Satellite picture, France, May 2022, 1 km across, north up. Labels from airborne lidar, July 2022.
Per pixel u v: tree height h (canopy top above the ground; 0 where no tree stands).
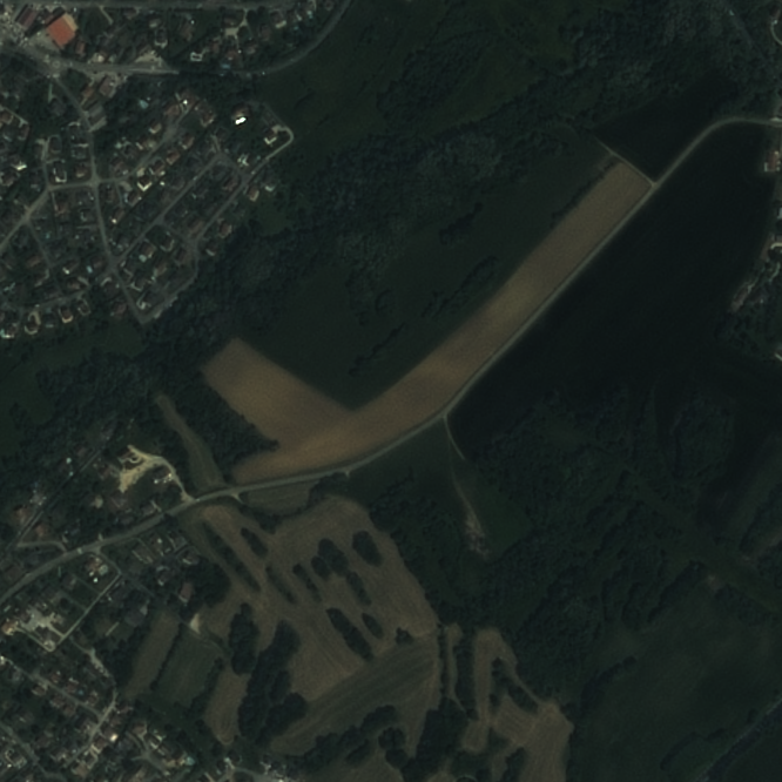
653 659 0
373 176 23
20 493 11
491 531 0
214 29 6
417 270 0
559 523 20
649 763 0
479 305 0
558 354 0
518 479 16
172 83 7
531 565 10
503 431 0
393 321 0
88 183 0
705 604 0
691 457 23
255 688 16
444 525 17
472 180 18
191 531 0
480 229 0
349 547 0
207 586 19
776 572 14
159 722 14
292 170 0
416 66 17
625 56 17
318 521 0
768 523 20
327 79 0
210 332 19
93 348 0
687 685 0
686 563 0
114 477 0
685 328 0
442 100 15
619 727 0
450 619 15
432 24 0
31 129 7
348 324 0
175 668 0
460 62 12
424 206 18
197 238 0
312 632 0
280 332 0
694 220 0
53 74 0
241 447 10
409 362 0
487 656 0
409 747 0
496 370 0
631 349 0
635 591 17
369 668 0
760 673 0
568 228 0
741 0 20
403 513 15
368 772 0
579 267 0
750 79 14
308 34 17
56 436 19
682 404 0
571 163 0
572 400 0
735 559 0
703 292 0
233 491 0
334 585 0
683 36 21
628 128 0
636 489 15
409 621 0
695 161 0
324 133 0
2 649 11
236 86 7
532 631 15
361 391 0
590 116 9
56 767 8
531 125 11
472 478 0
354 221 17
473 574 0
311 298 0
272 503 0
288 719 17
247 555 0
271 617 0
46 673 6
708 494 0
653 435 13
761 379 0
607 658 0
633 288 0
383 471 0
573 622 20
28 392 0
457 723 23
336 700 0
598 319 0
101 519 12
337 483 12
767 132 0
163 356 19
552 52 0
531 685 23
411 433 0
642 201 0
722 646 0
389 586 0
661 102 0
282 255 16
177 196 0
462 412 0
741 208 0
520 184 14
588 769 0
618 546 19
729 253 0
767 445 0
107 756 13
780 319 0
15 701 11
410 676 0
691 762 19
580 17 11
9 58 8
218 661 7
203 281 8
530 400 0
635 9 14
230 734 0
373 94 0
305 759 7
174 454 19
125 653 17
